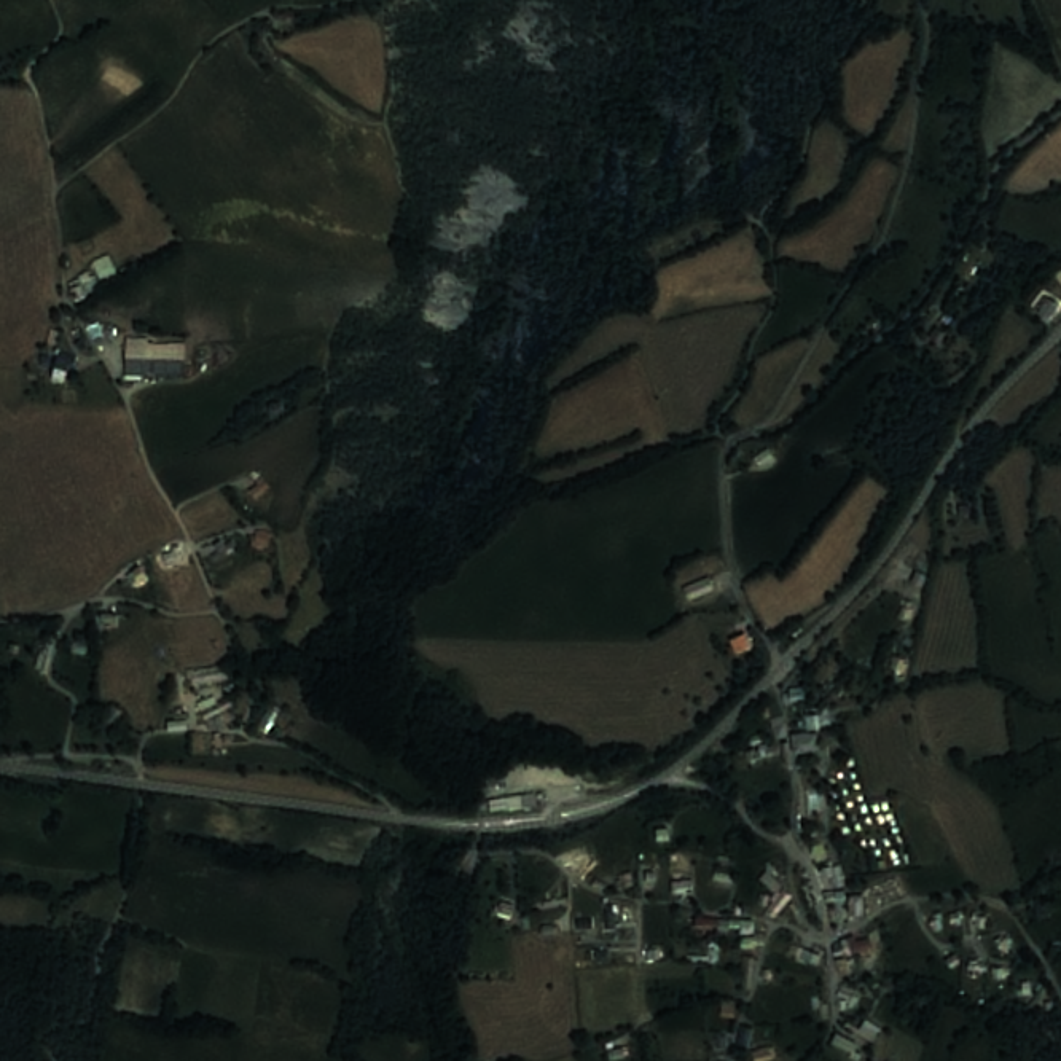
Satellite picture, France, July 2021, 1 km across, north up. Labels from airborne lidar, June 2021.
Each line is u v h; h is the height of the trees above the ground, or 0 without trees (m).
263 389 6
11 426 0
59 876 0
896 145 0
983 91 8
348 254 0
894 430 8
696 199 6
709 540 0
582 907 0
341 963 0
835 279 7
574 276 13
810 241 0
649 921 0
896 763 0
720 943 8
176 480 0
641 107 14
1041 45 15
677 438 10
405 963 7
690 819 0
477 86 8
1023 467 0
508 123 13
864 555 8
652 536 0
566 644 0
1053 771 7
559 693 0
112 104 0
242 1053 0
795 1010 0
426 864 9
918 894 0
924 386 10
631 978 0
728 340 0
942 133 0
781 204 12
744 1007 12
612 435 0
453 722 15
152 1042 0
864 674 5
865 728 0
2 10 0
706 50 15
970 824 0
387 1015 15
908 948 0
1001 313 8
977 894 12
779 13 14
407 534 16
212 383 0
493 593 0
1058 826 0
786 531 0
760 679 10
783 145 18
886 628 0
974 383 7
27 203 0
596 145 9
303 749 10
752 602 0
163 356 0
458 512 12
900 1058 0
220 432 6
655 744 0
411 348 8
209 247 0
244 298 0
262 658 17
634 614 0
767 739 7
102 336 0
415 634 7
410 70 8
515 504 15
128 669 0
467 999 0
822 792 10
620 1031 7
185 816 0
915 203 0
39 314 0
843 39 11
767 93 11
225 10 0
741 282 0
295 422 0
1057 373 0
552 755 18
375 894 6
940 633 0
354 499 11
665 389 0
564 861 0
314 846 0
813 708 6
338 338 6
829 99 12
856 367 11
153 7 0
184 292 0
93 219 0
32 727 0
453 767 23
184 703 0
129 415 0
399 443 12
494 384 12
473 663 0
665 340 0
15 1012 19
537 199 16
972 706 0
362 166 0
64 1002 20
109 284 12
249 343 0
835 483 0
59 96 0
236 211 0
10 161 0
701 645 0
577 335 8
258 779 0
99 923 8
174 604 0
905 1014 15
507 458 11
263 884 0
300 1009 0
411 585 17
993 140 0
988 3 0
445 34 8
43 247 0
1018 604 0
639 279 12
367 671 25
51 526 0
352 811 0
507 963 0
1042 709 8
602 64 15
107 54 0
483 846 12
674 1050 0
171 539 0
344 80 0
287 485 0
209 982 0
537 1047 0
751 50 11
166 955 0
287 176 0
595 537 0
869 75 0
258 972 0
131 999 0
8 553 0
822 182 0
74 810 0
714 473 0
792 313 0
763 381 0
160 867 0
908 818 0
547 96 8
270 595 12
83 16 0
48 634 11
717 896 0
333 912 0
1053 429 0
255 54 7
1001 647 0
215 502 0
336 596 24
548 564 0
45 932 14
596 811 0
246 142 0
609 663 0
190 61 0
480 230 0
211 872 0
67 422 0
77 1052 12
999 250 11
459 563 10
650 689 0
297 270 0
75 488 0
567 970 0
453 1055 13
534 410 11
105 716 8
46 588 0
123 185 0
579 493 10
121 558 0
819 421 0
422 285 8
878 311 9
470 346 11
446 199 9
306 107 0
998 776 0
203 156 0
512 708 0
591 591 0
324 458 7
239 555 7
